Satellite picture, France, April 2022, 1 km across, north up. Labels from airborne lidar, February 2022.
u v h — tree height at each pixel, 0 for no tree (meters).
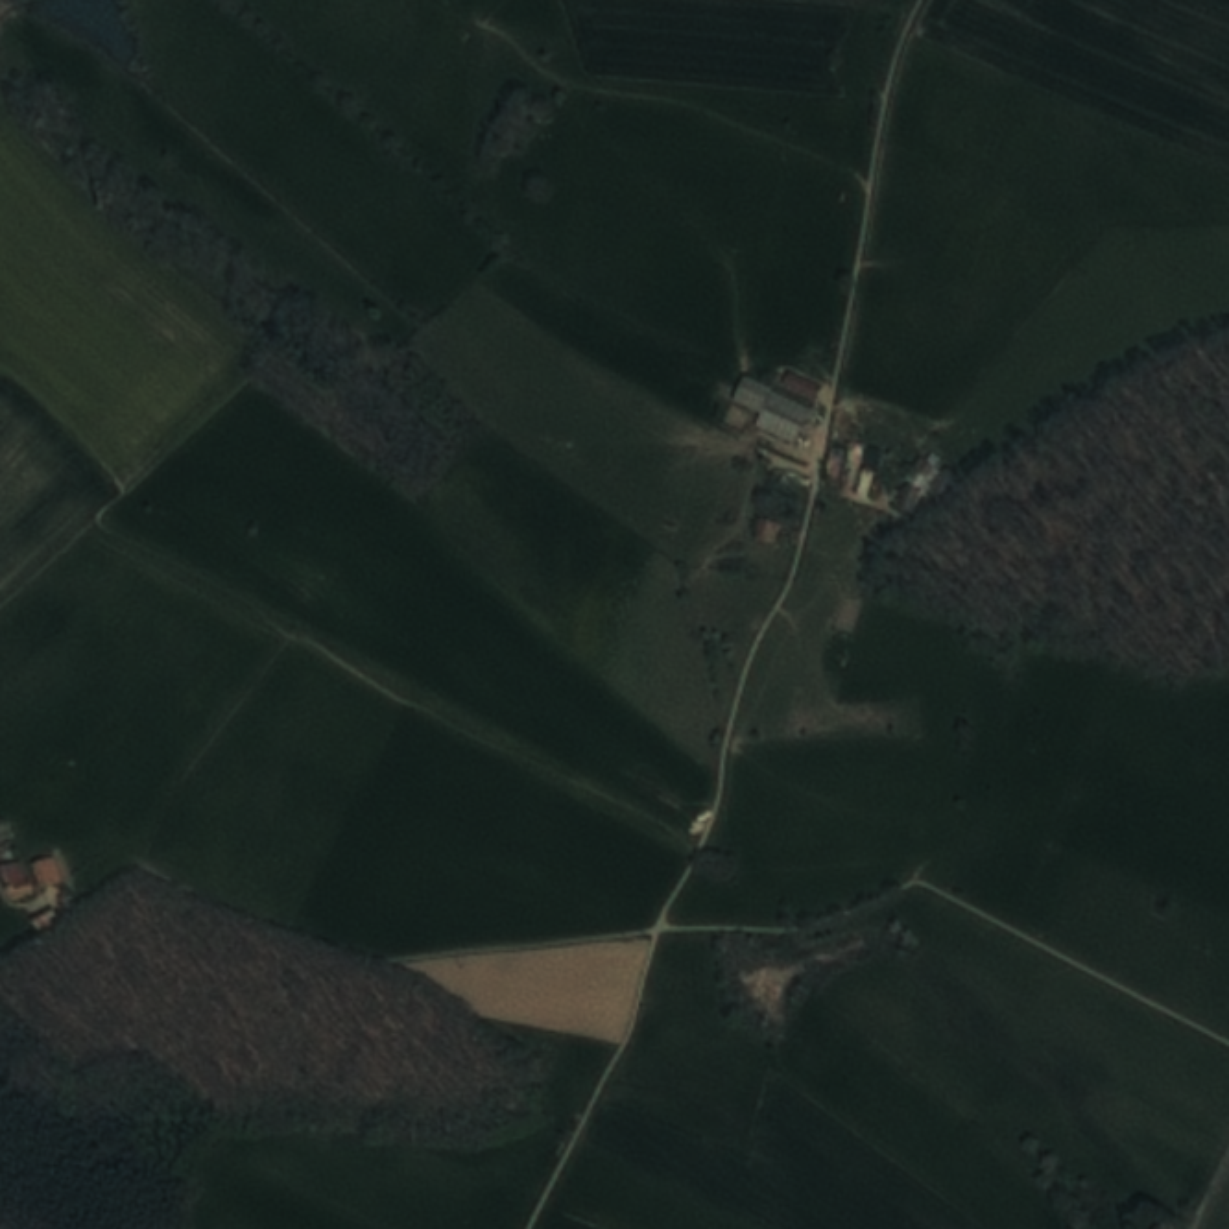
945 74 0
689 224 0
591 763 0
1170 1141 0
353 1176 0
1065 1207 21
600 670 0
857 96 0
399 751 0
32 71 0
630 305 0
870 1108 0
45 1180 23
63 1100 28
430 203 0
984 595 33
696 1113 0
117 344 0
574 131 0
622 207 0
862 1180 0
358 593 0
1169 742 0
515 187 0
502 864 0
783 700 0
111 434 0
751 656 0
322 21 0
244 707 0
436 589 0
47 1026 22
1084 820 0
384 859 0
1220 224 0
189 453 0
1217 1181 0
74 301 0
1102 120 0
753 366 0
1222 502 32
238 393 0
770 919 0
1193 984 0
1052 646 29
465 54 0
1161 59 0
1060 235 0
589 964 0
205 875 0
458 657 0
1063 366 0
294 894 0
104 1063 19
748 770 0
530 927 0
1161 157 0
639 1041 0
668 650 0
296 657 0
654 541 0
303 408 28
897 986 0
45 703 0
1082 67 0
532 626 0
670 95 0
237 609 0
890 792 0
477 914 0
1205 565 33
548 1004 0
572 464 0
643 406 0
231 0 17
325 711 0
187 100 0
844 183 0
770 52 0
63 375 0
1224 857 0
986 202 0
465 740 0
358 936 0
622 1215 0
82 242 0
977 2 0
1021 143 0
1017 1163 0
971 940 0
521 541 0
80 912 17
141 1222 28
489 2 0
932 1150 0
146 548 0
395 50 0
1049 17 0
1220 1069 0
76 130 17
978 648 23
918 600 29
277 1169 0
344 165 0
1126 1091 0
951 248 0
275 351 25
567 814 0
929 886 0
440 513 0
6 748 0
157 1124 29
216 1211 0
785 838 0
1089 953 0
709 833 0
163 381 0
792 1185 0
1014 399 0
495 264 9
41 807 0
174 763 0
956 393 0
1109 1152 0
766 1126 0
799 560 0
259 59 0
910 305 0
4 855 0
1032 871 0
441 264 0
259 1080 21
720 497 0
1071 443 34
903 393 0
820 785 0
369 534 0
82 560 0
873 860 0
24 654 0
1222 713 0
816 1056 0
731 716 0
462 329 0
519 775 0
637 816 0
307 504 0
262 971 23
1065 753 0
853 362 0
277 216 0
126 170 19
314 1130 17
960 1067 0
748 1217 0
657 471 0
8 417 0
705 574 0
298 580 0
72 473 0
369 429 28
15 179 0
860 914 12
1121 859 0
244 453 0
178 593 0
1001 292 0
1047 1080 0
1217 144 0
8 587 0
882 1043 0
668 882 0
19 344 0
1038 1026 0
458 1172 0
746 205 0
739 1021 19
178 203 0
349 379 37
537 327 0
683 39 0
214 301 0
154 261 13
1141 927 0
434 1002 20
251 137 0
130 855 0
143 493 0
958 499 25
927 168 0
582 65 0
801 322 0
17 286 0
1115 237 0
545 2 0
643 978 0
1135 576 35
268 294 19
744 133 0
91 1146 27
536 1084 29
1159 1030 0
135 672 0
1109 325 0
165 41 0
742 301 0
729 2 0
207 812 0
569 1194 0
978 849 0
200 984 17
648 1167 0
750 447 0
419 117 0
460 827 0
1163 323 0
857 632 0
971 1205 0
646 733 0
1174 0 0
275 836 0
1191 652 30
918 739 0
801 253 0
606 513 0
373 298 0
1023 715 0
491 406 0
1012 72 0
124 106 0
